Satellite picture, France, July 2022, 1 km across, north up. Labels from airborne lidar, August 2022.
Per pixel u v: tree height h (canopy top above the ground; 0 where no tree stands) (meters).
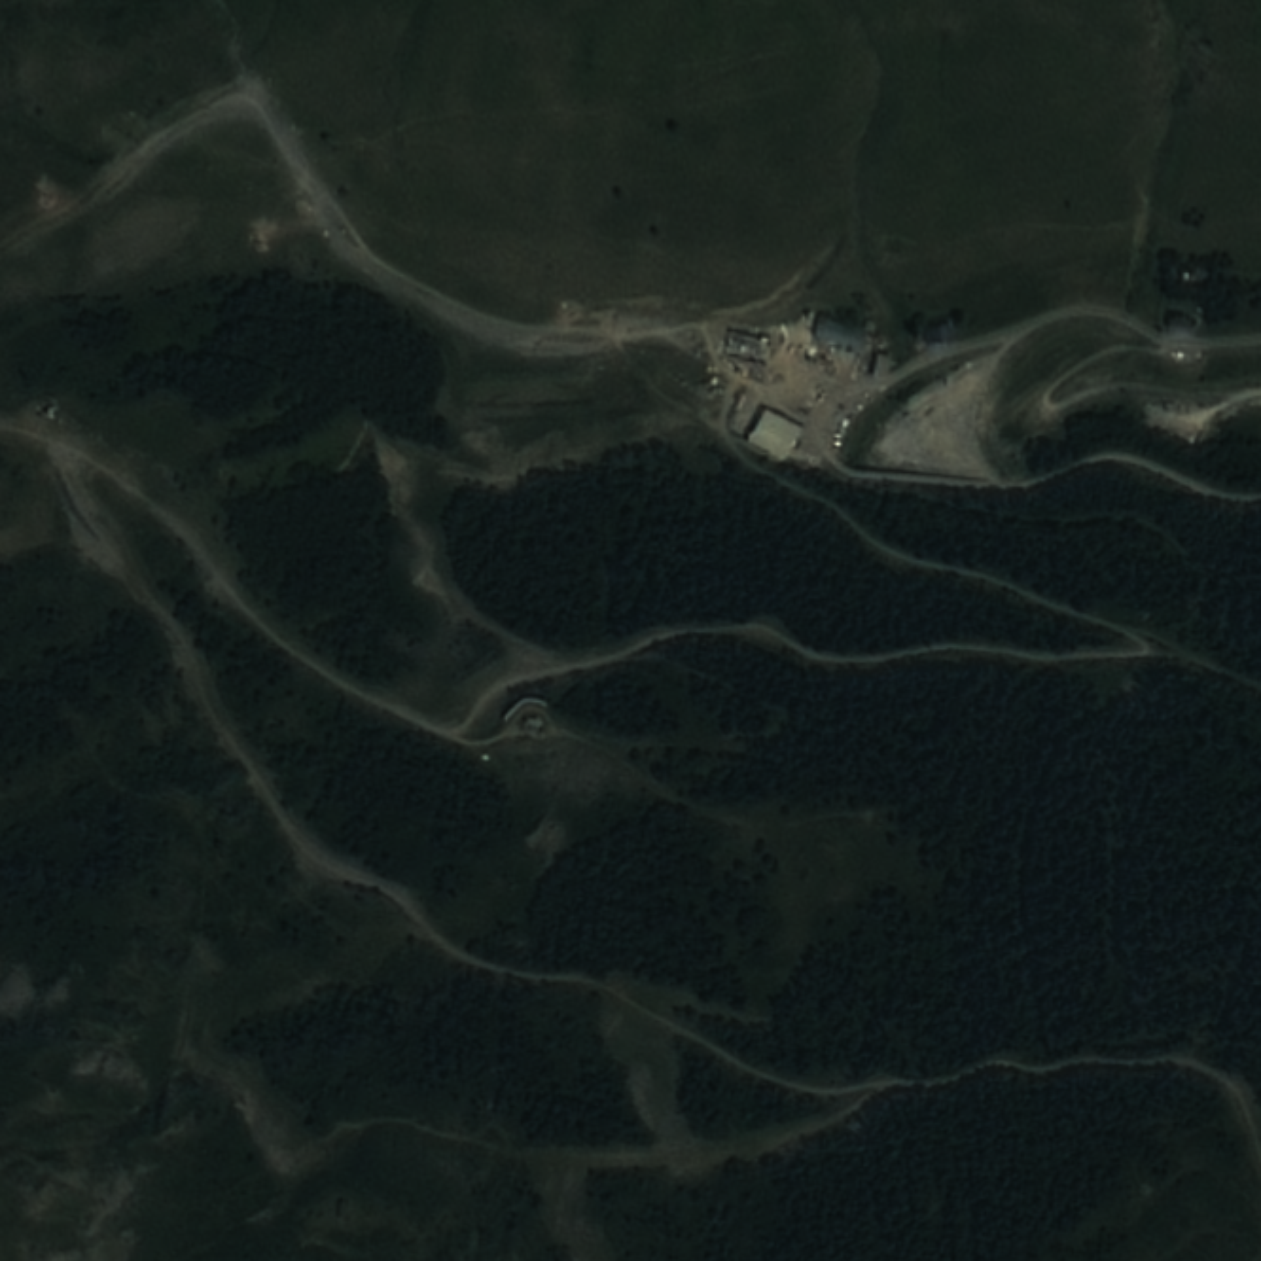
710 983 7
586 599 11
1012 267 0
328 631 8
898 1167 8
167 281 0
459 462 0
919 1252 8
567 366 0
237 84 0
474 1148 0
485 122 0
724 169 0
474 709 0
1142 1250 0
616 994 0
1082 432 14
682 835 10
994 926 8
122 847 7
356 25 0
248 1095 0
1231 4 0
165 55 0
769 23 0
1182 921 22
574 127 0
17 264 0
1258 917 15
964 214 0
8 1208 0
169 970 0
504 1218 0
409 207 0
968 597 14
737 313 0
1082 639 16
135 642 10
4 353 0
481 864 0
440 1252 0
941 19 0
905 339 0
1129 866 17
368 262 0
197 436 0
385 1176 0
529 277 0
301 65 0
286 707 0
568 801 0
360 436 0
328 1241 0
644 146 0
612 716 8
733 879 9
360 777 9
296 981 0
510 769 0
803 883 0
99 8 0
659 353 0
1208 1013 8
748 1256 0
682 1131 0
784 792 12
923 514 13
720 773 8
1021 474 0
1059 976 14
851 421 0
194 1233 0
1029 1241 10
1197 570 7
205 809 0
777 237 0
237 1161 0
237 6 0
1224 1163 0
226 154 0
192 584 0
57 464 0
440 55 0
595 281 0
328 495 12
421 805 8
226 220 0
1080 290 0
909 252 0
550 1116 10
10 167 0
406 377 12
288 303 14
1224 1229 0
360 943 0
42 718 10
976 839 11
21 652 0
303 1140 0
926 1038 11
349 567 11
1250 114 0
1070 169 0
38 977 0
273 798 0
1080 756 25
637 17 0
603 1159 0
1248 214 0
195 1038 0
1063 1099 8
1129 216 0
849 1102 0
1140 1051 8
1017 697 22
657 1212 6
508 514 16
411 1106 0
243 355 9
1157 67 0
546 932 8
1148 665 6
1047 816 18
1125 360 0
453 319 0
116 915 0
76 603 0
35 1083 0
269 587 7
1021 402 0
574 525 15
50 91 0
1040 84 0
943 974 8
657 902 9
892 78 0
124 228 0
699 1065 9
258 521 11
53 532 0
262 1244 0
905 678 17
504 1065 9
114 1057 0
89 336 10
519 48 0
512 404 0
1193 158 0
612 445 0
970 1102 11
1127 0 0
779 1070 9
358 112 0
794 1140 0
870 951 6
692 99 0
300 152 0
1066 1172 7
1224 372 0
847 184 0
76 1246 0
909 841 0
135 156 0
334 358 11
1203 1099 8
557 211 0
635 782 0
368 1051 0
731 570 22
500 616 7
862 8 0
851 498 26
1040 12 0
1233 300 11
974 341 0
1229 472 8
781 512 15
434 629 0
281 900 0
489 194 0
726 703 8
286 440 11
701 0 0
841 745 19
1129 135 0
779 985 0
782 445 0
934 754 20
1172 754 10
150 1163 0
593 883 10
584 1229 0
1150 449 7
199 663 0
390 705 0
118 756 0
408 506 0
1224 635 8
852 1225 9
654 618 14
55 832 0
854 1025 7
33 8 0
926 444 0
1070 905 18
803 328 0
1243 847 11
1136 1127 7
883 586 16
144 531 0
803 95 0
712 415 0
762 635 0
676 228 0
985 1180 12
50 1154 0
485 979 9
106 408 0
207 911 0
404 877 0
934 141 0
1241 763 12
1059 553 19
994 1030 14
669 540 11
